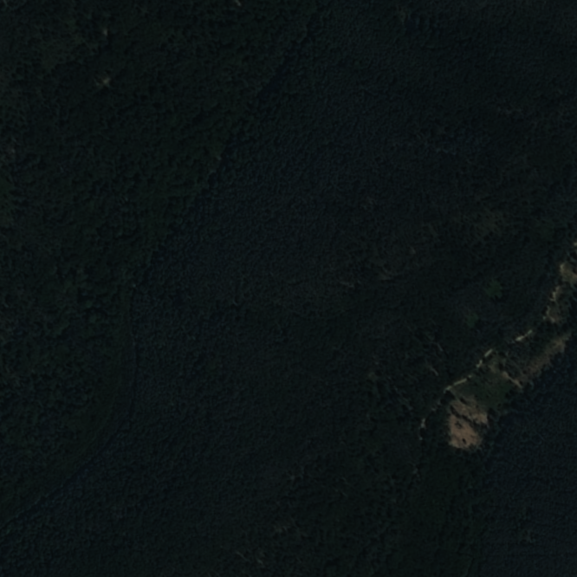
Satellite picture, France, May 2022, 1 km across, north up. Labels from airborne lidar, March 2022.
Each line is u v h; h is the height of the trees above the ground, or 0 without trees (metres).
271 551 19
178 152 30
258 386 15
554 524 15
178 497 19
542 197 22
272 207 18
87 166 27
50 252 21
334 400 14
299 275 16
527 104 15
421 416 13
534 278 15
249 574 20
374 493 19
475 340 22
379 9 23
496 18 20
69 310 28
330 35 19
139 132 22
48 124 25
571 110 22
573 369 28
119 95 19
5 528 12
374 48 17
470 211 13
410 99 20
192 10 20
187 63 24
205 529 14
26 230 22
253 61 25
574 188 32
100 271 32
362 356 17
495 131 19
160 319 25
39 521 20
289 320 17
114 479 25
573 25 13
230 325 21
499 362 0
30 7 19
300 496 12
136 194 28
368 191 19
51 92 14
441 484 13
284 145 20
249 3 27
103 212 25
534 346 16
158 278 23
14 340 19
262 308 19
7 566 23
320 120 21
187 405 21
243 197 19
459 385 0
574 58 17
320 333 17
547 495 15
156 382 21
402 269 14
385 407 29
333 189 21
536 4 18
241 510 16
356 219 18
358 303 21
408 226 13
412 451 16
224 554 16
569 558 15
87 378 20
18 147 22
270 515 20
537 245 17
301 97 23
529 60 17
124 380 18
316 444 19
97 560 17
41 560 22
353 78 18
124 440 18
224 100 32
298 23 31
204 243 16
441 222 13
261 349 19
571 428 17
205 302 21
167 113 27
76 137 9
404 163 16
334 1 19
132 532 22
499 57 22
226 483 15
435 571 23
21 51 12
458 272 18
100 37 25
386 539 22
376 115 23
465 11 16
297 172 18
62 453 11
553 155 16
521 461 28
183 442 23
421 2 24
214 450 19
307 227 15
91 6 19
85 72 18
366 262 13
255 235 20
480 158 16
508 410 20
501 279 11
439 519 16
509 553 11
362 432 27
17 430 29
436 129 18
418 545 13
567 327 17
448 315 21
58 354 15
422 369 25
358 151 15
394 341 20
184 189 29
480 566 18
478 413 0
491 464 29
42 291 27
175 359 21
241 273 9
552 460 19
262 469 17
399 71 14
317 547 13
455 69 20
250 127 26
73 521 23
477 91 18
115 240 33
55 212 20
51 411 24
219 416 22
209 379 24
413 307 20
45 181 25
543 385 27
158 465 23
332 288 15
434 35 28
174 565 20
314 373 17
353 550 19
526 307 20
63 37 12
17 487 23
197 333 14
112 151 20
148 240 25
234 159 24
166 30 21
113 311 24
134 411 23
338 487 22
